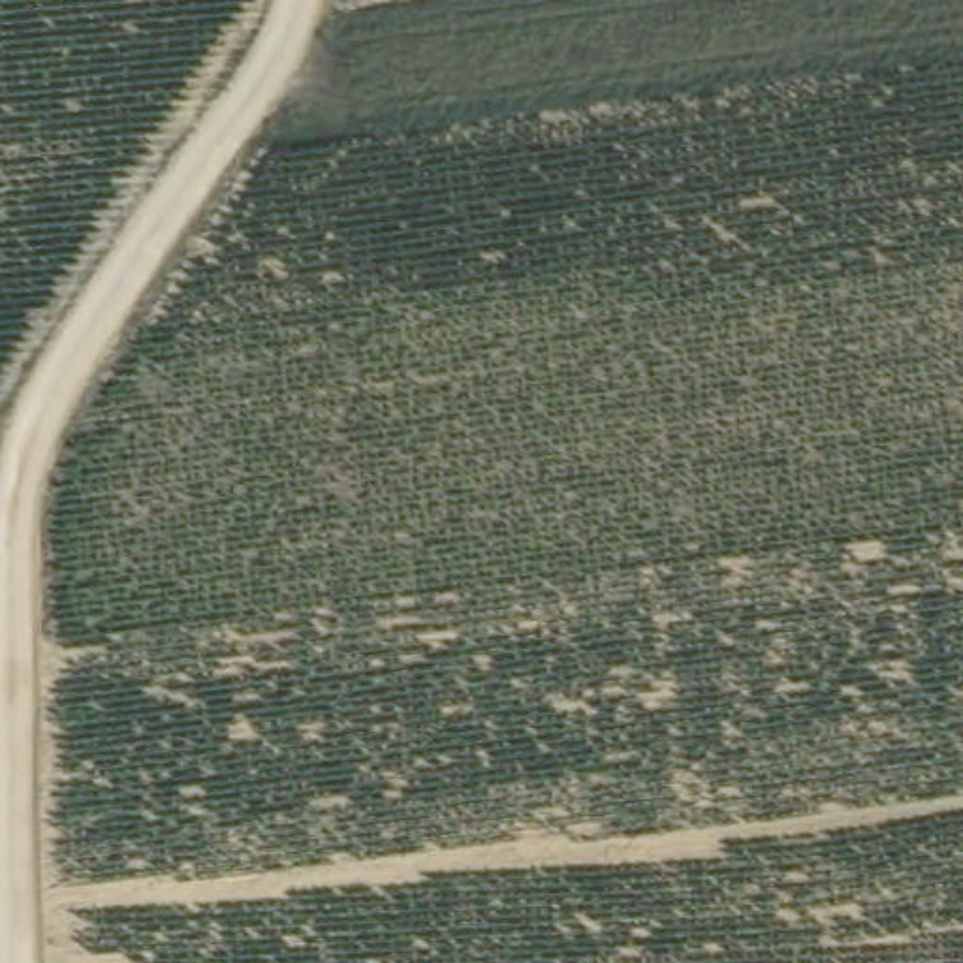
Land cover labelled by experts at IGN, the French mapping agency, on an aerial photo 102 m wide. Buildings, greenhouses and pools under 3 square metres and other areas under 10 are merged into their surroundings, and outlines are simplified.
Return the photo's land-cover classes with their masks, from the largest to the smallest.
<instances>
[{"label":"vineyard","instance_id":"1","mask_svg":"<svg viewBox=\"0 0 963 963\"><path fill-rule=\"evenodd\" d=\"M275 0H0V444L34 369L56 342L64 320L75 312L79 297L102 271V263L113 256L135 211L169 173L173 158L188 147V139L203 128L207 113L214 109V102L237 79L241 64L256 49L271 19ZM636 98L643 102V117H609L602 135H583L579 143L512 139L508 147H497L489 139H470L436 147V135L448 132L440 117L436 128L365 132L339 124V132L282 139L263 120L256 135L237 150V158L218 173L214 188L207 192L192 222L177 233L173 248L143 286L139 301L132 305L120 327L117 354L94 369L90 387L79 395L45 482V594L41 621L30 639L34 963H963V45L899 49L854 60L805 56L790 64L775 60L764 68H718L666 83H639Z\"/></svg>","mask_w":963,"mask_h":963},{"label":"agricultural land","instance_id":"2","mask_svg":"<svg viewBox=\"0 0 963 963\"><path fill-rule=\"evenodd\" d=\"M963 45V0H324V15L308 38V53L293 71L290 90L263 120L282 139L339 132V124L365 132L436 128L440 117L448 132L436 135V147L470 139H489L497 147H508L512 139L579 143L583 135H602L609 117H643V102L636 98L639 83H666L718 68H764L775 60L790 64L805 56L854 60L899 49Z\"/></svg>","mask_w":963,"mask_h":963},{"label":"pervious surface","instance_id":"3","mask_svg":"<svg viewBox=\"0 0 963 963\"><path fill-rule=\"evenodd\" d=\"M324 15V0H275L271 19L256 49L241 64L237 79L214 102V109L207 113L203 128L188 139V147L173 158L169 173L135 211L113 256L102 263V271L79 297L75 312L64 320L56 342L34 369L0 444V963H34L30 639L41 621L45 594V482L79 395L90 387L94 369L117 354L120 327L132 305L139 301L143 286L173 248L177 233L192 222L207 192L214 188L218 173L237 158V150L256 135L263 120L290 90L293 71L308 53V38Z\"/></svg>","mask_w":963,"mask_h":963}]
</instances>
